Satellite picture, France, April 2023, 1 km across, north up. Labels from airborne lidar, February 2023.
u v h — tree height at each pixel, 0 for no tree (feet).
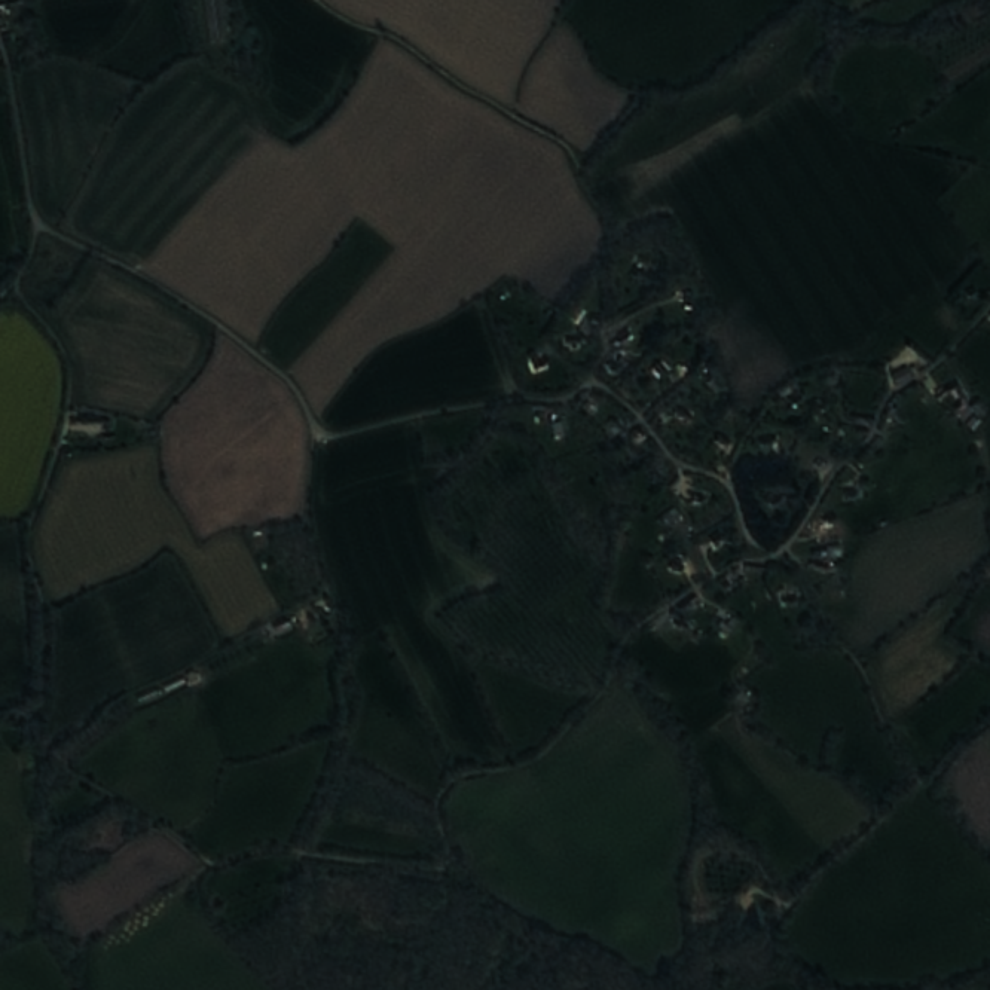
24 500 0
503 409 44
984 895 0
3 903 0
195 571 0
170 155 0
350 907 19
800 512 25
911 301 0
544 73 0
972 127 0
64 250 0
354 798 39
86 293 0
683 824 0
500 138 0
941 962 0
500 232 0
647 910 0
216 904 29
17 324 0
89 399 0
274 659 0
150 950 0
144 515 0
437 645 0
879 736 26
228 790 0
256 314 0
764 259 0
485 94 0
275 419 0
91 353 0
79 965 26
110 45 0
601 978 58
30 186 0
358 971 53
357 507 0
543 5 0
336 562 0
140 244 0
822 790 0
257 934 47
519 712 0
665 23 0
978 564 21
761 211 0
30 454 0
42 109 0
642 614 22
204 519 0
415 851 0
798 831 0
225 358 0
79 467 0
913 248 0
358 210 0
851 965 0
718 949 51
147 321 0
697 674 0
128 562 0
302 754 0
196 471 0
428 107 0
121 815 34
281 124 0
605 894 0
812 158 0
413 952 26
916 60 0
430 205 0
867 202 0
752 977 57
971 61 0
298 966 40
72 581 0
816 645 49
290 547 32
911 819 0
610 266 47
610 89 0
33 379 0
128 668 0
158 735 0
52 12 0
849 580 0
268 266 0
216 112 0
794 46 0
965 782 0
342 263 0
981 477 26
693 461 30
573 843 0
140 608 0
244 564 0
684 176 0
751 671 0
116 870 0
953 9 39
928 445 0
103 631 0
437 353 0
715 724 0
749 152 0
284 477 0
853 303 0
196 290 0
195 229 0
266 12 0
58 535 0
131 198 0
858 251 0
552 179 0
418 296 0
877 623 0
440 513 47
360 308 0
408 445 0
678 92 28
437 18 0
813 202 0
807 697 0
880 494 0
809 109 0
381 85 0
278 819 0
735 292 0
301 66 0
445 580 0
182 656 0
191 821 0
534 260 0
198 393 0
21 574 27
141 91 23
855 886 0
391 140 0
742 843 35
